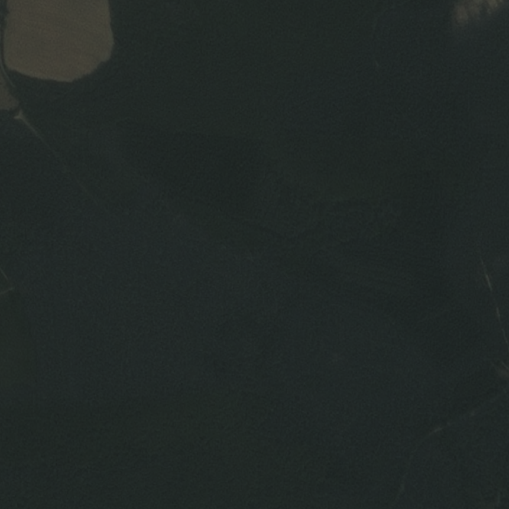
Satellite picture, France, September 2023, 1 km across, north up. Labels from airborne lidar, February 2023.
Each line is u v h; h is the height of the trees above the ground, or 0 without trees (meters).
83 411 22
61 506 23
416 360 26
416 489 27
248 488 16
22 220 18
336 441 22
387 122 21
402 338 24
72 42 0
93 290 35
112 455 20
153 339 21
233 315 16
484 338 15
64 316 27
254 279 25
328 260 14
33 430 22
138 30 20
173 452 27
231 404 16
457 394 11
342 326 12
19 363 0
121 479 22
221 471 17
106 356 31
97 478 21
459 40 22
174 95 24
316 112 20
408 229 12
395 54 25
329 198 14
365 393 27
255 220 13
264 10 20
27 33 0
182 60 22
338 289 15
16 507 25
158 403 23
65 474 22
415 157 14
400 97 16
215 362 10
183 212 18
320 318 12
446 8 22
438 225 16
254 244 23
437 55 26
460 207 21
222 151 15
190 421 19
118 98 25
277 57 15
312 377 16
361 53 18
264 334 18
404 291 14
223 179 14
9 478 21
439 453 18
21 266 23
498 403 10
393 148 13
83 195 13
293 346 17
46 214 19
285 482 22
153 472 24
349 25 17
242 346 21
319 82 23
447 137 17
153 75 23
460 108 19
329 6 19
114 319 19
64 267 37
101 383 31
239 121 19
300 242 20
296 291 18
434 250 12
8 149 11
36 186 13
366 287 11
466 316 8
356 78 25
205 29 21
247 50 20
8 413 24
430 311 15
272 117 22
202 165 13
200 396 19
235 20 18
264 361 16
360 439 23
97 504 22
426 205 15
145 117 19
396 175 11
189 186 14
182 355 23
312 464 14
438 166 14
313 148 14
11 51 0
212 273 22
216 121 21
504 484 10
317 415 17
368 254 16
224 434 17
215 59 17
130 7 16
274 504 16
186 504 21
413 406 22
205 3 20
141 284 19
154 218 25
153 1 21
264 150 15
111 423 20
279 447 16
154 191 23
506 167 24
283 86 20
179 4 27
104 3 0
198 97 23
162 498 23
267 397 21
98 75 13
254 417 18
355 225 14
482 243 16
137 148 12
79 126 24
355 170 17
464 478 9
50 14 0
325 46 16
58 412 24
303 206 10
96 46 0
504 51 22
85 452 19
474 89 27
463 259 18
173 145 12
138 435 17
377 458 14
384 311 15
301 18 19
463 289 14
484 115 17
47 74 0
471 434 14
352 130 20
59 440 21
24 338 0
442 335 12
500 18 25
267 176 9
